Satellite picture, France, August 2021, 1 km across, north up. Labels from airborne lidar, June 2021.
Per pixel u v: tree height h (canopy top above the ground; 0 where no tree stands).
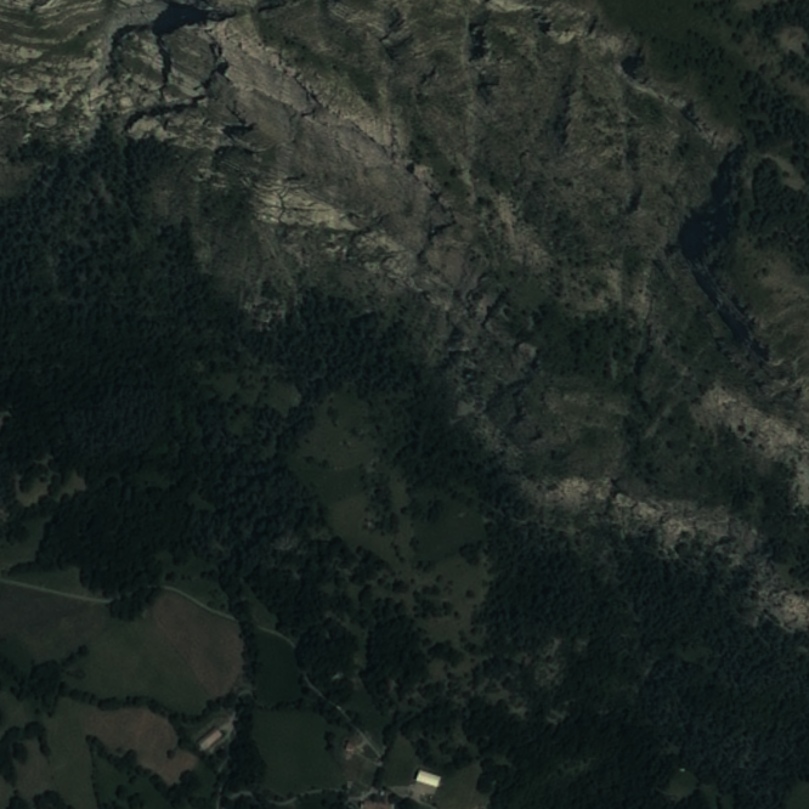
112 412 34
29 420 19
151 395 33
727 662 12
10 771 11
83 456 20
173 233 22
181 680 0
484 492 6
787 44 0
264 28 0
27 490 13
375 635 13
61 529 24
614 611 26
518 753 20
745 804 17
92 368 14
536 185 9
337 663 23
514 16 0
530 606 9
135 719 0
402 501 0
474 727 18
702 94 0
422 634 11
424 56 0
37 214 13
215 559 13
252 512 8
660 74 0
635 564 11
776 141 21
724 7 10
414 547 9
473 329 0
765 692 12
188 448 15
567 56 0
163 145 20
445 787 0
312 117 0
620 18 0
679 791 0
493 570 8
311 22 0
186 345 8
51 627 0
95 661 0
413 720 17
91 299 33
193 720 8
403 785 0
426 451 8
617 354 16
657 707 20
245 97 0
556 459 6
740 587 12
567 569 24
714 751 24
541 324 20
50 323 7
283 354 22
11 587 0
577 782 13
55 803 16
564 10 0
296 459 0
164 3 0
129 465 13
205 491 8
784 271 0
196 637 0
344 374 15
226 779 16
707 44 10
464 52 0
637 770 21
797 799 0
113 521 25
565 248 6
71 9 0
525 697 9
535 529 15
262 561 27
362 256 7
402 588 17
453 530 0
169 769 0
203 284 11
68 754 0
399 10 0
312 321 19
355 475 0
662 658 10
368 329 7
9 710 0
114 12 0
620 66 0
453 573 0
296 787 0
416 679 24
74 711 0
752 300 0
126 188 10
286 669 0
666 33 0
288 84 0
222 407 16
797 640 24
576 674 18
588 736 24
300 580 7
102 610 0
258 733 0
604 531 5
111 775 0
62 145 7
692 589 20
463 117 0
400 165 0
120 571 16
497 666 24
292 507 10
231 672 0
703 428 10
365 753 0
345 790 7
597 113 7
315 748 0
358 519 0
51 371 12
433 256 0
